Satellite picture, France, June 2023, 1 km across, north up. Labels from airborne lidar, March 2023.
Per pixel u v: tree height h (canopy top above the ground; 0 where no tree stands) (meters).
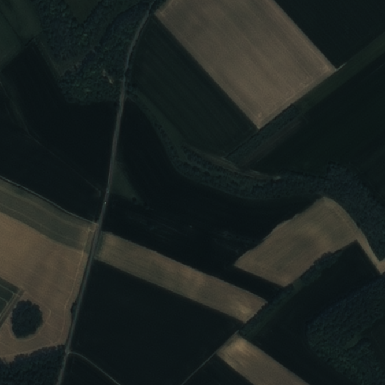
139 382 0
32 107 0
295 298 0
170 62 0
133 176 0
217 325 0
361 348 12
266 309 12
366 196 12
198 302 0
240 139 0
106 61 9
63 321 0
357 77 0
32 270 0
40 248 0
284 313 0
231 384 0
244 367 0
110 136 0
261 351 0
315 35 0
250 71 0
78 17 0
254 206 0
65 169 0
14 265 0
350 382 0
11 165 0
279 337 0
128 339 0
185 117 0
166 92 0
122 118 0
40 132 0
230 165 0
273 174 0
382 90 0
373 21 0
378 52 0
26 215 0
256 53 0
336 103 0
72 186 0
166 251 0
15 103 0
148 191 0
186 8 0
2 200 0
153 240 0
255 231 0
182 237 0
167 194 0
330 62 0
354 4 0
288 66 0
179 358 0
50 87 0
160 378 0
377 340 0
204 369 0
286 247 0
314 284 0
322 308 0
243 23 0
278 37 0
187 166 15
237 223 0
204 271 0
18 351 0
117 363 0
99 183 0
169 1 0
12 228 0
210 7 0
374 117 0
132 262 0
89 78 8
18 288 0
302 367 0
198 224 0
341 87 0
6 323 0
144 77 0
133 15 19
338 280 0
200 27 0
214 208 0
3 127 0
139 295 0
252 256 0
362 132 0
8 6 0
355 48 0
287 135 0
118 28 21
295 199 0
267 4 0
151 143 0
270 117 0
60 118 0
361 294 21
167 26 0
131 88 13
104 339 0
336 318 21
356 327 19
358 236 0
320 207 0
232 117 0
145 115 0
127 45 14
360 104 0
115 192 0
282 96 0
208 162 7
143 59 0
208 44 0
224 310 0
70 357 0
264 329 0
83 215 0
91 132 0
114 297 0
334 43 0
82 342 0
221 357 0
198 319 0
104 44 18
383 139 0
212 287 0
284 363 0
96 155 0
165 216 0
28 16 0
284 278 0
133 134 0
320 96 0
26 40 0
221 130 0
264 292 0
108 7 11
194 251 0
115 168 0
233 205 0
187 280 0
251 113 0
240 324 0
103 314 0
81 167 0
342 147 0
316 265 15
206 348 0
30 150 0
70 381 0
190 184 0
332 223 0
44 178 0
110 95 6
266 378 0
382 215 14
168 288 0
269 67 0
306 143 0
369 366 11
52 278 0
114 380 0
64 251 0
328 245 0
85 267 0
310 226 0
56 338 0
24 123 0
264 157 0
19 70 0
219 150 0
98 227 0
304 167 0
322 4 0
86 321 0
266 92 0
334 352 7
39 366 25
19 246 0
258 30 0
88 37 18
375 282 19
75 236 0
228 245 0
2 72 0
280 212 0
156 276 0
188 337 0
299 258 0
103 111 0
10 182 0
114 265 0
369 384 9
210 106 0
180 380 0
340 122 0
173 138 0
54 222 0
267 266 0
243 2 0
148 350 0
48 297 0
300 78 0
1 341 0
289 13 0
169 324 0
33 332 14
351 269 0
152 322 0
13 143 0
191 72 0
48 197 0
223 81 0
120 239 0
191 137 0
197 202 0
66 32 19
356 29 0
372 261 0
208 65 0
